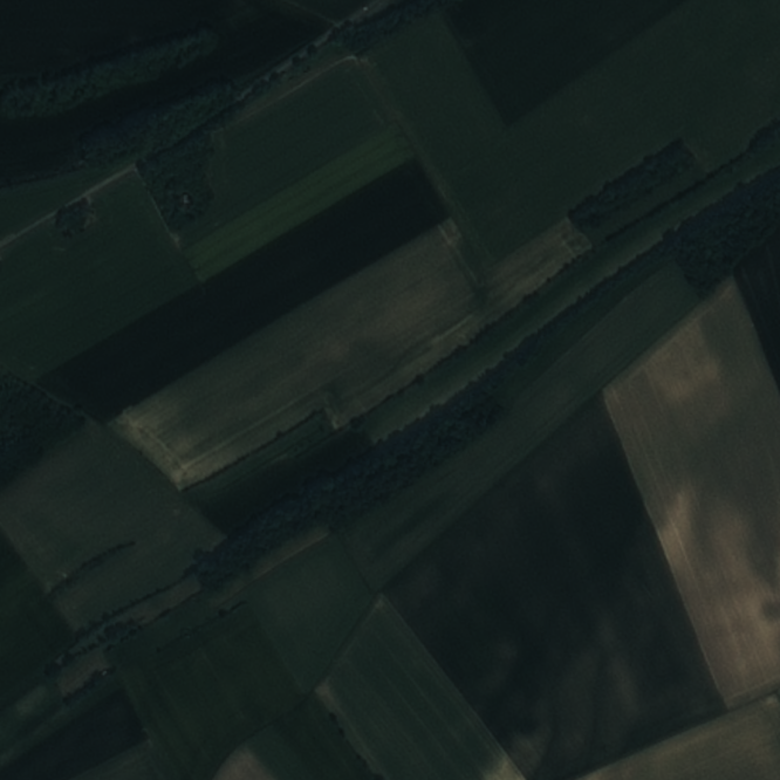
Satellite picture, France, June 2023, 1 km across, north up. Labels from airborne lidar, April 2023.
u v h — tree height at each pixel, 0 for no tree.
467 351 10
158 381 0
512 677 0
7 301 0
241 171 0
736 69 0
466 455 0
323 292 0
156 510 0
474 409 15
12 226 0
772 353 0
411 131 0
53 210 0
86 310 0
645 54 0
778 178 21
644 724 0
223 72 0
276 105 0
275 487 0
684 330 0
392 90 0
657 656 0
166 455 0
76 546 0
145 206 0
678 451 0
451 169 0
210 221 0
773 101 0
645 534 0
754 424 0
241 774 0
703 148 0
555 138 0
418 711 0
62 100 14
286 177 0
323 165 0
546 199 0
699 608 0
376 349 0
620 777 0
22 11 0
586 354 0
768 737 0
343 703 0
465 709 0
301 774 0
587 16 0
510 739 0
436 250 0
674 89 0
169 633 0
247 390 0
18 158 0
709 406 0
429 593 0
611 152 0
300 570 0
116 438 0
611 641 0
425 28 0
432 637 0
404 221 0
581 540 0
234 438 0
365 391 0
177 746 0
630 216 0
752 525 0
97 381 0
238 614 0
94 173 0
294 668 0
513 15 0
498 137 0
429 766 0
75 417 11
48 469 0
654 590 0
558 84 0
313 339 0
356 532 0
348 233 0
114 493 0
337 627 0
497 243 0
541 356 0
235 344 0
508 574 0
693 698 0
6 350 0
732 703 0
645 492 0
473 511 0
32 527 0
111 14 0
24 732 0
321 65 0
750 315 0
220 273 0
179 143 21
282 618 0
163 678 0
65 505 0
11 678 0
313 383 0
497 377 13
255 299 0
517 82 0
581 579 0
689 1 0
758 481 0
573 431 0
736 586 0
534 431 0
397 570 0
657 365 0
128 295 0
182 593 0
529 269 0
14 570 0
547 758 0
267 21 0
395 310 0
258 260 0
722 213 19
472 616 0
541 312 0
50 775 0
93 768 0
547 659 0
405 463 23
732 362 0
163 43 18
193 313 0
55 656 0
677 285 0
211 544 0
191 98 8
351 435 0
